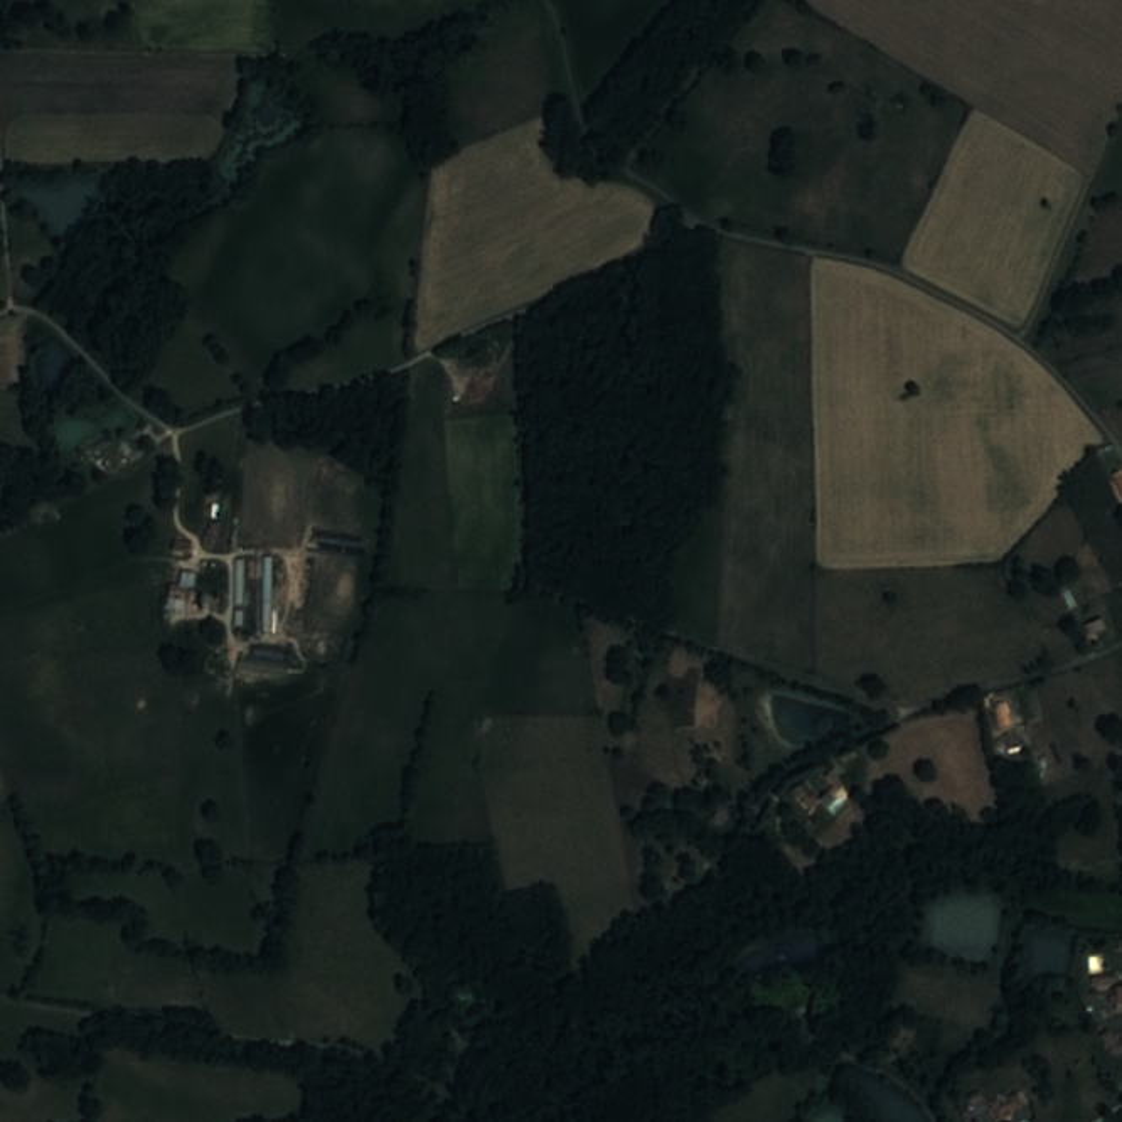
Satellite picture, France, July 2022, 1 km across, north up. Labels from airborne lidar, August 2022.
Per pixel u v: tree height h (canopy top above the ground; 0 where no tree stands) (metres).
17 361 0
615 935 13
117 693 0
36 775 0
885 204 0
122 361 20
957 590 0
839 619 0
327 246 0
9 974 0
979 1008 0
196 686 0
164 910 0
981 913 0
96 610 0
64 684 0
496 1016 14
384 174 0
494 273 0
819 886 21
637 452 31
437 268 0
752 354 0
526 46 0
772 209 0
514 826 0
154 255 19
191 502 0
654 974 25
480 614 0
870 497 0
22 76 0
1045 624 0
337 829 0
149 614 0
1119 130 8
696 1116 26
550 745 0
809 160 0
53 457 16
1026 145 0
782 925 17
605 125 18
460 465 0
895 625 0
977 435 0
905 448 0
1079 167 0
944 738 0
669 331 22
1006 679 0
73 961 0
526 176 0
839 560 0
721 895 12
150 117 0
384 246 0
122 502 0
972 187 0
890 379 0
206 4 0
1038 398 0
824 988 13
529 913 16
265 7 0
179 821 0
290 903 22
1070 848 0
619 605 17
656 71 18
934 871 19
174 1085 0
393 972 0
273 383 17
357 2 0
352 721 0
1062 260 0
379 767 0
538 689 0
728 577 0
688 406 25
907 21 0
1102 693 0
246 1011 0
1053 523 0
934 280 0
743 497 0
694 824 21
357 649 7
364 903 0
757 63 18
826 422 0
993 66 0
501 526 0
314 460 0
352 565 0
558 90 0
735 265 0
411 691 0
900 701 0
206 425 0
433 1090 6
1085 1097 0
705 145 0
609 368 22
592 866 0
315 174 0
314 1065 24
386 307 7
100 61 0
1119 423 0
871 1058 16
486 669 0
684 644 9
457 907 18
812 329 0
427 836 0
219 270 0
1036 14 0
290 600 0
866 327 0
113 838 0
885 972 16
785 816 16
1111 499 0
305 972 0
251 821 0
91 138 0
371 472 7
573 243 0
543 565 18
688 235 17
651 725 0
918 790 0
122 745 0
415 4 0
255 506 0
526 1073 24
